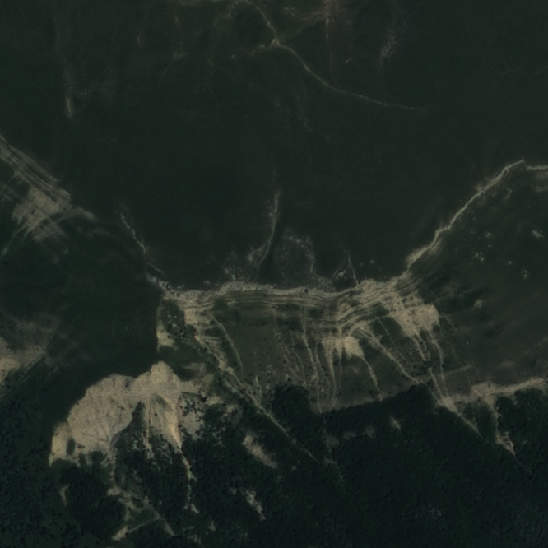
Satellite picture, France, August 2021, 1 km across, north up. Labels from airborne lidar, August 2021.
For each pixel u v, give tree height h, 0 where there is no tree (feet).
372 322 0
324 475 44
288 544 70
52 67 0
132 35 0
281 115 0
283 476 24
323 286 0
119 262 0
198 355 0
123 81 0
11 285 0
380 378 0
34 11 0
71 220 0
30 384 0
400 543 69
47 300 0
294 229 0
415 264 0
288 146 0
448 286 0
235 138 0
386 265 0
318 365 0
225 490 39
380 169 0
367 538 60
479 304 0
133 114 0
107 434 0
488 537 45
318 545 46
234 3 0
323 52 0
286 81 0
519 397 39
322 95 0
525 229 0
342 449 40
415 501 48
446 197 0
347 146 0
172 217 0
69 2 0
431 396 21
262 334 0
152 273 0
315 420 40
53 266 0
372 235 0
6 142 0
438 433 58
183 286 0
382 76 0
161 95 0
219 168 0
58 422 0
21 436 22
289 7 0
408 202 0
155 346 0
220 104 0
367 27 0
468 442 40
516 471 78
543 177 0
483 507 49
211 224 0
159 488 41
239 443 25
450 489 74
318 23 0
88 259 0
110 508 32
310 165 0
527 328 0
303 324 0
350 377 0
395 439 35
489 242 0
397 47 0
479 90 0
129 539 31
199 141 0
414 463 49
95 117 0
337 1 0
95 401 0
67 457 0
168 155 0
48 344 0
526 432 41
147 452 20
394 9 0
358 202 0
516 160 0
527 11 0
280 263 0
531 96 0
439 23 0
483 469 51
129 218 0
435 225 0
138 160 0
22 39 0
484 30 0
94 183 0
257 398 0
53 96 0
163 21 0
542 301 0
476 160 0
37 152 0
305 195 0
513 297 0
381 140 0
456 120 0
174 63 0
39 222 0
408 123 0
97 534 39
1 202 0
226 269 0
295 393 58
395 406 38
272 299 0
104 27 0
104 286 0
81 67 0
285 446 27
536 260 0
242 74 0
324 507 52
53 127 0
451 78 0
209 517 46
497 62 0
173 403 0
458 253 0
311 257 0
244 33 0
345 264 0
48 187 0
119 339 0
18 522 18
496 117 0
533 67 0
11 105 0
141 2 0
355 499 36
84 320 0
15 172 0
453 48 0
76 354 0
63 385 0
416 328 0
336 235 0
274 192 0
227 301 0
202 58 0
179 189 0
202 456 42
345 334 0
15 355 0
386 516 63
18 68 0
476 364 0
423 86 0
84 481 39
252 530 50
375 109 0
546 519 50
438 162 0
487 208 0
